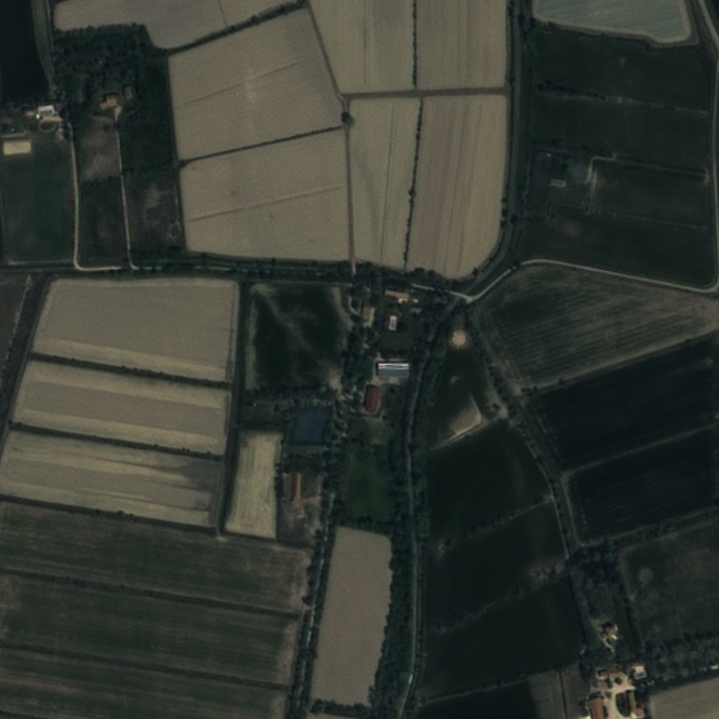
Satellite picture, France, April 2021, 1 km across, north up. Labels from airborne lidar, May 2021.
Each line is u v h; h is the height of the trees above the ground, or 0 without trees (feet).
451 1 0
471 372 0
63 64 24
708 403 0
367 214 0
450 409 0
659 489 0
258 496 0
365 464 0
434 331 32
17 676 0
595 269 0
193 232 0
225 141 0
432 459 0
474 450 0
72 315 0
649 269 0
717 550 0
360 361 66
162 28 0
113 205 0
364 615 0
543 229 0
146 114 37
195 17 0
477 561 0
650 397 0
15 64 0
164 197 0
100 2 0
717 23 0
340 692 0
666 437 0
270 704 0
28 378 0
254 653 0
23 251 0
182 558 0
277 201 0
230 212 0
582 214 0
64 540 0
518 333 0
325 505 42
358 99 0
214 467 0
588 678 28
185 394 0
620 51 0
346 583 0
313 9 0
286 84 0
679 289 0
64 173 0
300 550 0
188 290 0
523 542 0
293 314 0
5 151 0
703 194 0
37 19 0
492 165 0
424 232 0
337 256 0
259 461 0
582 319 0
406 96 0
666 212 0
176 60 0
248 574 0
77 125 31
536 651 0
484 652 0
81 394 0
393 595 30
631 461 0
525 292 0
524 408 0
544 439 0
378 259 0
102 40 18
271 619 0
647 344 0
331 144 0
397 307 37
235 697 0
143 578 0
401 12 0
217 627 0
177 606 0
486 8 0
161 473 0
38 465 0
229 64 0
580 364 0
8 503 0
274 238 0
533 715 0
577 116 0
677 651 78
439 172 0
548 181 18
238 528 0
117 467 0
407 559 47
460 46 0
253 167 0
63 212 0
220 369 0
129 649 0
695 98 0
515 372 0
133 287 0
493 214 0
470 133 0
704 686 0
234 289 0
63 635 0
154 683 0
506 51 0
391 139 0
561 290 0
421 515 48
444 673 0
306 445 0
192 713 0
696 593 0
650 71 0
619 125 0
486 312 0
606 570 42
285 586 0
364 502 0
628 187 0
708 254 0
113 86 59
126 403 0
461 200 0
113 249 0
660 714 0
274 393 31
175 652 0
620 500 0
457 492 0
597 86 0
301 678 27
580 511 0
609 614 86
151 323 0
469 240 0
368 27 0
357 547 0
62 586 0
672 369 0
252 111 0
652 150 0
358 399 31
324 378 0
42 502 0
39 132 0
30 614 0
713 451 0
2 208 0
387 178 0
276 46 0
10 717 0
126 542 0
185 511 0
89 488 0
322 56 0
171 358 0
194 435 0
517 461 0
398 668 44
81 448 0
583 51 0
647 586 0
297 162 0
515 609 0
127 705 0
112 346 0
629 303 0
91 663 0
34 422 0
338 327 0
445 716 0
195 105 0
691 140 0
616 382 0
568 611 0
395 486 34
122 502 0
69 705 0
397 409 0
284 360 0
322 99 0
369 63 0
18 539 0
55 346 0
